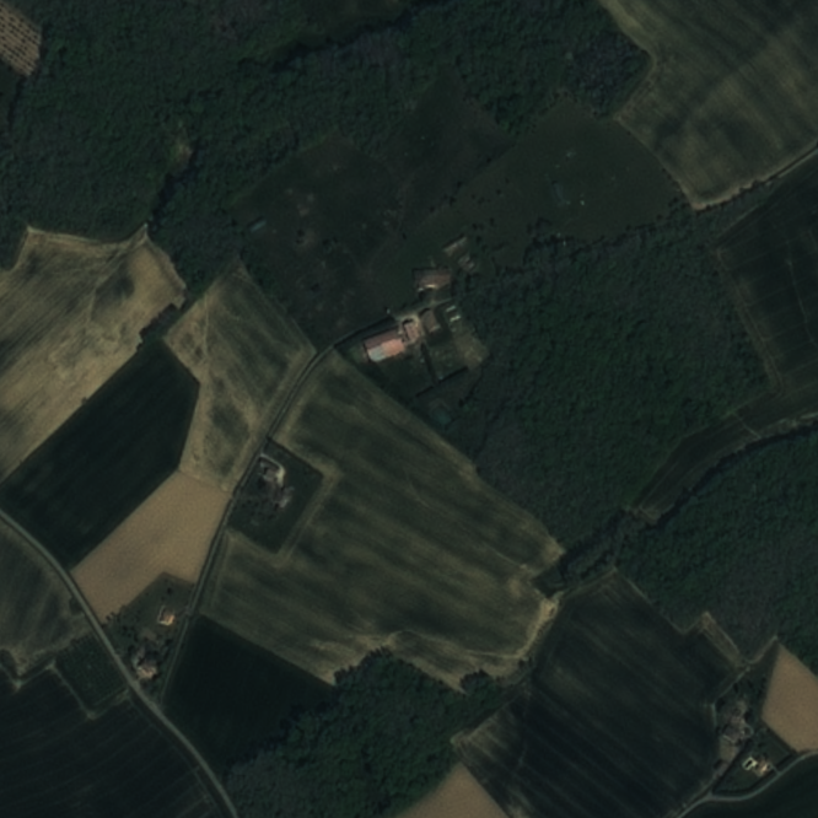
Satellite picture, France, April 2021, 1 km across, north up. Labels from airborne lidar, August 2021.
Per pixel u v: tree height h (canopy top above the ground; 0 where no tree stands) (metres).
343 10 0
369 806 14
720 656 0
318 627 0
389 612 0
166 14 17
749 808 0
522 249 0
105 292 0
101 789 0
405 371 0
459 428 11
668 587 19
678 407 24
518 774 0
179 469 0
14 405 0
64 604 0
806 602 18
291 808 21
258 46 17
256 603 0
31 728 0
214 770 0
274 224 0
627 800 0
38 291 0
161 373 0
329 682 0
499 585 0
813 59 0
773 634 16
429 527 0
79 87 28
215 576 0
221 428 0
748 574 17
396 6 0
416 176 0
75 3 20
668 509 0
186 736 0
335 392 0
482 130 0
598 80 17
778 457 22
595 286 19
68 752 0
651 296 20
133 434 0
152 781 0
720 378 19
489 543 0
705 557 18
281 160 13
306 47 0
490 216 0
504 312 20
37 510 0
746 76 0
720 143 0
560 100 9
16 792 0
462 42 23
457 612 0
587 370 25
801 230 0
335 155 0
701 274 16
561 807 0
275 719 0
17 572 0
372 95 16
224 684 0
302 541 0
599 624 0
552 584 0
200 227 20
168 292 0
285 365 0
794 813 0
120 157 23
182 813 0
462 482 0
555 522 18
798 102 0
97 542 0
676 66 0
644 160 0
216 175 24
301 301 0
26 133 19
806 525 17
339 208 0
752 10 0
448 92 0
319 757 23
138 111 29
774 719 0
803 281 0
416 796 18
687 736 0
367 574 0
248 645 0
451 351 0
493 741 0
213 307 0
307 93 19
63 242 0
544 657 0
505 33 23
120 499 0
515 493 16
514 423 22
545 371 20
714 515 21
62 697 0
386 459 0
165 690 0
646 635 0
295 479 0
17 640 0
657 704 0
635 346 23
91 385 0
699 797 0
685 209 12
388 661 18
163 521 0
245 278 0
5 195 13
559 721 0
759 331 0
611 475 15
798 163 0
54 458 0
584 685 0
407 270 0
